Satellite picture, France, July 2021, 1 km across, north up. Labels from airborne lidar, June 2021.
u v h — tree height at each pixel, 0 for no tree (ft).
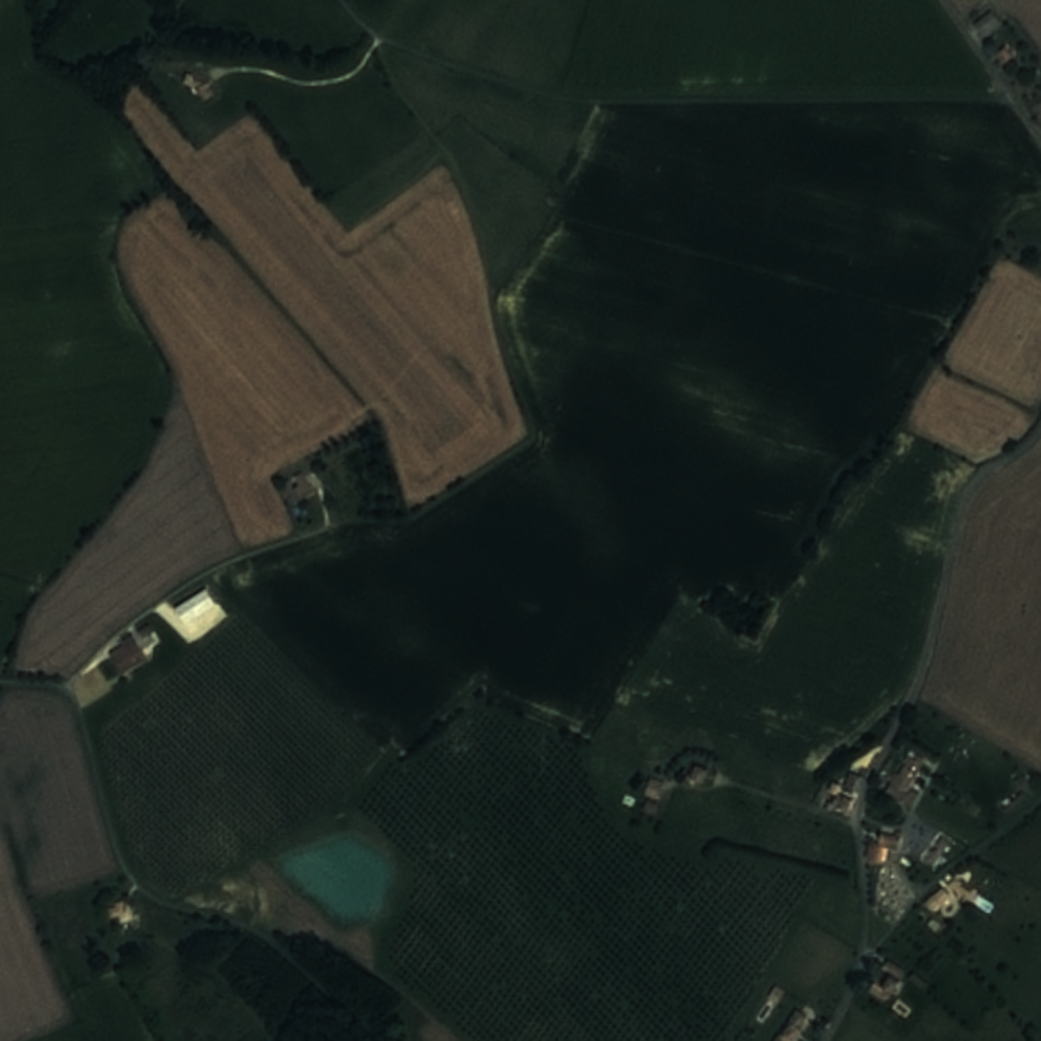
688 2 0
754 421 0
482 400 0
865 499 0
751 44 0
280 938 44
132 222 0
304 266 0
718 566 0
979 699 0
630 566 0
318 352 0
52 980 0
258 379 0
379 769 0
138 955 53
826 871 31
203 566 0
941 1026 0
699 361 0
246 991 20
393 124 0
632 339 0
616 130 0
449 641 0
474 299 0
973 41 0
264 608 0
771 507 0
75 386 0
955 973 0
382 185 0
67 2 37
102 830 0
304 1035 64
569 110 0
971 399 0
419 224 0
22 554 0
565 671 0
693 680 0
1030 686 0
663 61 0
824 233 0
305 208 0
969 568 0
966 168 0
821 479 0
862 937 0
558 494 0
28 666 0
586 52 0
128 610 0
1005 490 0
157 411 0
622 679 0
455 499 0
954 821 0
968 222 0
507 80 0
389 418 0
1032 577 0
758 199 0
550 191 0
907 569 0
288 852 0
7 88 0
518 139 0
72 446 0
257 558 0
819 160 0
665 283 0
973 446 0
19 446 0
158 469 0
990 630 0
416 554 0
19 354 0
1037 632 0
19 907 0
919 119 0
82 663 0
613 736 0
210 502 0
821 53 0
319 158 0
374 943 0
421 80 0
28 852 0
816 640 0
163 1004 0
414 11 0
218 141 0
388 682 0
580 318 0
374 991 51
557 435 0
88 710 0
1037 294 0
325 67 25
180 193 39
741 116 0
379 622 0
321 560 0
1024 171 0
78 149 0
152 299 0
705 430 0
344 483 0
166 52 31
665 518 0
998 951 0
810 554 52
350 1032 86
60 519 0
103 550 0
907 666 0
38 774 0
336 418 0
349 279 0
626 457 0
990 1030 0
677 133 0
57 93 0
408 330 0
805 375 0
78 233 0
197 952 58
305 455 0
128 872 0
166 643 0
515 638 0
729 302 0
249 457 0
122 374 0
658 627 0
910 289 0
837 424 0
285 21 0
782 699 0
